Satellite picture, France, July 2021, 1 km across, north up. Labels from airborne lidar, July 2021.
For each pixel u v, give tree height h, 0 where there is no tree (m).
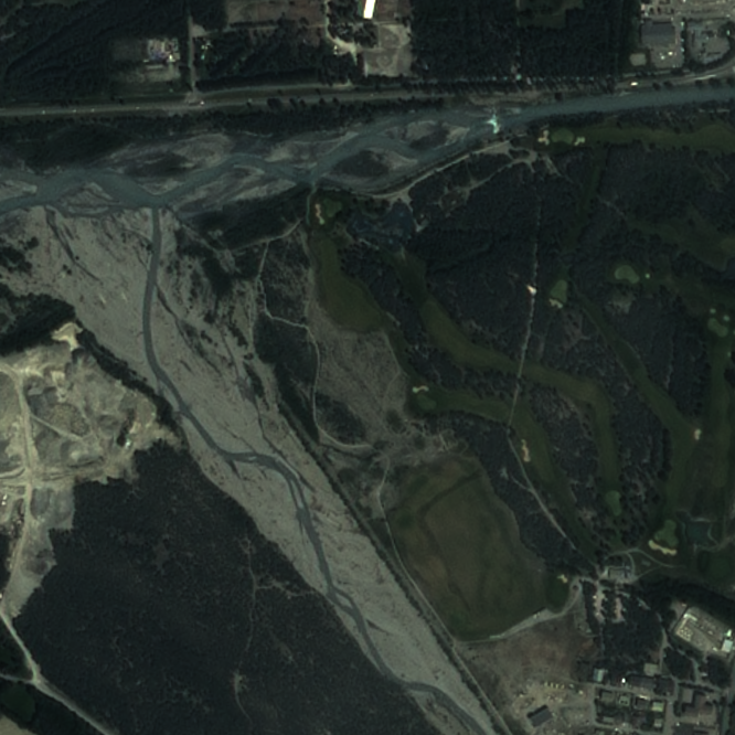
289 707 6
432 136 0
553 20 0
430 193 11
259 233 6
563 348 8
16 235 0
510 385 10
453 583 0
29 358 0
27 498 0
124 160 0
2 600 0
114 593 7
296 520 0
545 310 8
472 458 0
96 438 0
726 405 0
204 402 0
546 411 7
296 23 11
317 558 0
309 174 0
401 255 0
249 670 7
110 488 10
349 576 0
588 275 14
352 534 0
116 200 0
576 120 8
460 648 0
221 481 0
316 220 0
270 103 12
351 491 0
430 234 14
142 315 0
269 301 6
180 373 0
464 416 7
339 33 10
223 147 0
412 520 0
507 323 10
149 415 0
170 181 0
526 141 0
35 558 0
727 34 0
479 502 0
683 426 0
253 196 0
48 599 8
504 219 14
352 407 0
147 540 6
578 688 0
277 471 0
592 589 15
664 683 0
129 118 7
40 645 10
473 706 0
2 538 9
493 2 13
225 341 0
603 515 10
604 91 15
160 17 14
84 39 16
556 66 10
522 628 0
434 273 11
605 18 13
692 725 0
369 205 10
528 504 5
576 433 8
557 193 18
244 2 0
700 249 0
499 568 0
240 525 6
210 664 7
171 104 0
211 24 17
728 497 0
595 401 0
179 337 0
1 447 0
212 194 0
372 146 0
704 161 12
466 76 15
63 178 0
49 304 7
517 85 20
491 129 0
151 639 7
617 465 0
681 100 0
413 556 0
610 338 0
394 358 0
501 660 0
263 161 0
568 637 0
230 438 0
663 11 0
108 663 6
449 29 17
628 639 9
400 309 10
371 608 0
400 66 0
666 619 7
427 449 0
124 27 16
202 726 9
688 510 0
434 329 0
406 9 0
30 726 10
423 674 0
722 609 20
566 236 18
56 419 0
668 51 0
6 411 0
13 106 0
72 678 9
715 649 0
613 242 20
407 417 0
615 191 17
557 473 0
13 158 0
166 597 6
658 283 0
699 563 0
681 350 15
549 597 0
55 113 0
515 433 10
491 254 12
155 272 0
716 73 0
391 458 0
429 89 18
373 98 0
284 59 20
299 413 7
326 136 0
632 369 0
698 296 0
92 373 0
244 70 12
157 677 8
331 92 0
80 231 0
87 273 0
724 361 0
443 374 9
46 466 0
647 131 0
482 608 0
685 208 21
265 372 0
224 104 0
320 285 0
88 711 12
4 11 9
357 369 0
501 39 16
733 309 0
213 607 6
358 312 0
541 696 0
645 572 0
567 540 8
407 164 0
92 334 5
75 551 8
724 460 0
